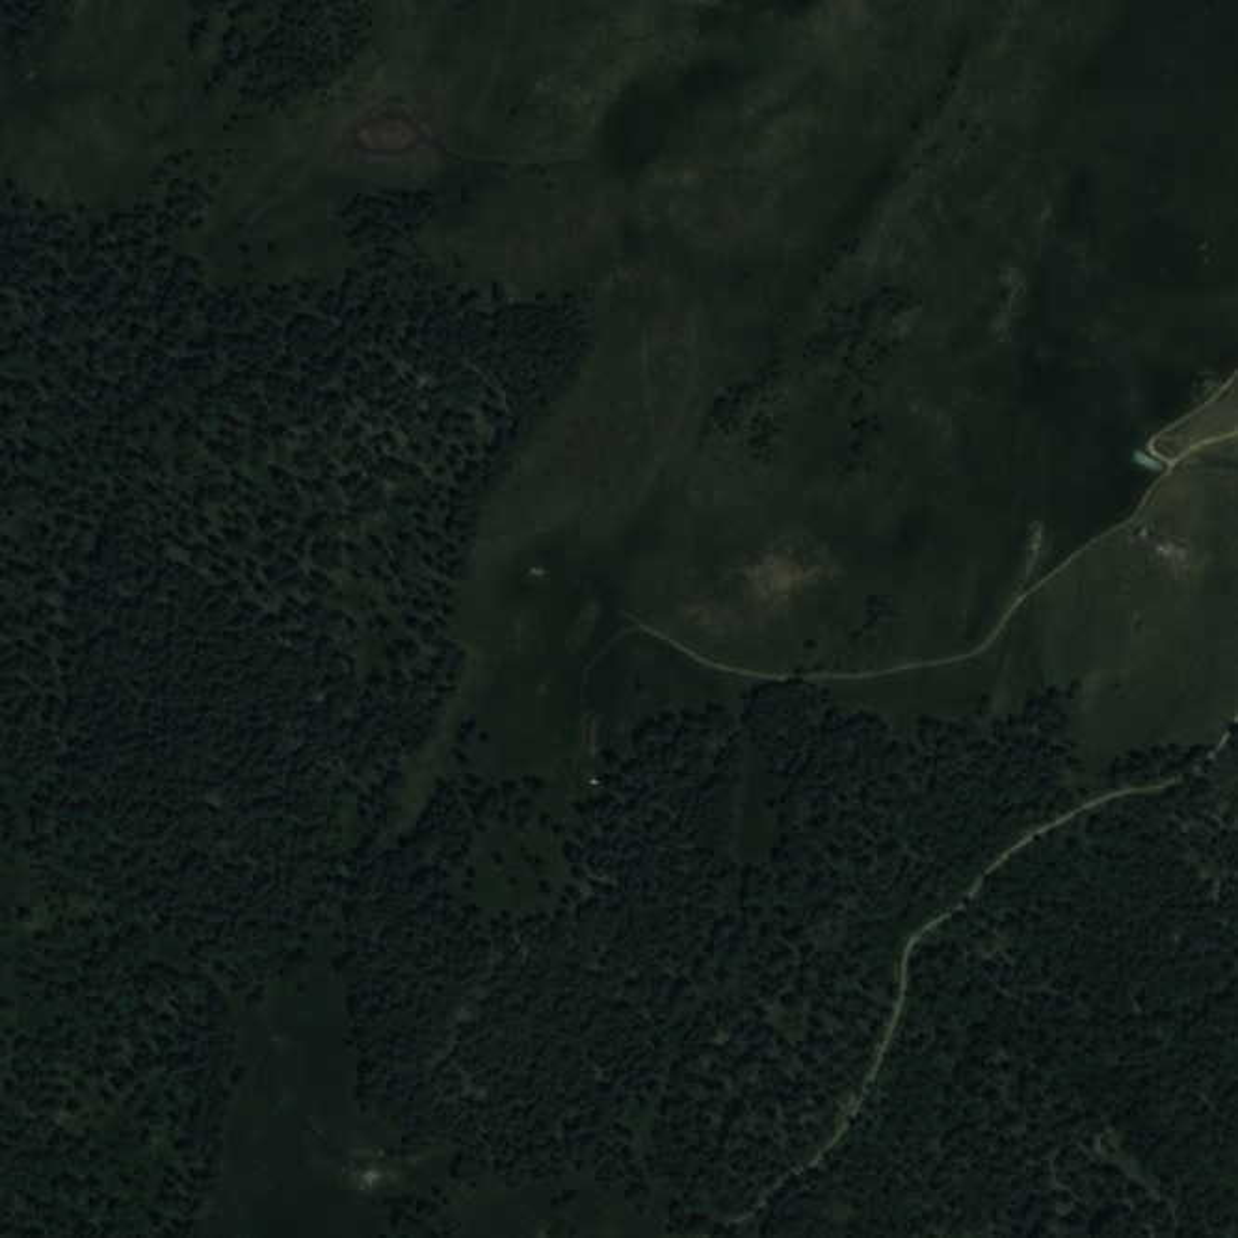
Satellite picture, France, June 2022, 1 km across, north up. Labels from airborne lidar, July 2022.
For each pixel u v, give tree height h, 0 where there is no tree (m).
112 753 21
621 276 0
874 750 19
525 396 28
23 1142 19
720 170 0
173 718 24
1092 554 0
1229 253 0
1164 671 0
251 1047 0
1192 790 11
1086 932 23
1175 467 0
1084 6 0
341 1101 0
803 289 0
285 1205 0
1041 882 12
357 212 11
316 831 23
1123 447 0
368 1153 0
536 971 18
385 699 16
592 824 16
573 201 0
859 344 9
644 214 0
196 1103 10
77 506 21
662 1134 14
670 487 0
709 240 0
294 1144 0
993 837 18
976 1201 13
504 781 0
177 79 0
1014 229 0
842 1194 16
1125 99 0
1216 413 0
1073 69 0
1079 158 0
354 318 23
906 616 0
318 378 22
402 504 15
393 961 22
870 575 0
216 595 29
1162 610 0
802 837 21
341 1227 0
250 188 0
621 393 0
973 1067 12
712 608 0
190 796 15
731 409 12
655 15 0
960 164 0
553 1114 29
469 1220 0
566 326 15
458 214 0
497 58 0
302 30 13
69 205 0
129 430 14
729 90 0
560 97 0
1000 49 0
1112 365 0
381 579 28
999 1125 11
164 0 0
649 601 0
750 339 0
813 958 29
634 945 23
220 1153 21
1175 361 0
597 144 0
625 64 0
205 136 0
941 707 0
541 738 0
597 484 0
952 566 0
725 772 20
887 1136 18
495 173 0
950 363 0
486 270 0
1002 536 0
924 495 0
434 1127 21
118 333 22
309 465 18
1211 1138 20
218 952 15
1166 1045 10
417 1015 16
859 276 0
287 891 24
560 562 0
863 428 11
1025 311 0
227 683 18
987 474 0
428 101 0
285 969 16
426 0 0
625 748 0
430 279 13
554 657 0
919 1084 14
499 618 0
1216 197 0
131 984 10
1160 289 0
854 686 0
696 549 0
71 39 0
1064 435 0
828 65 0
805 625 0
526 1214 0
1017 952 16
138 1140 9
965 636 0
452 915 18
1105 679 0
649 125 0
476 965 11
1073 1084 11
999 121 0
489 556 0
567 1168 24
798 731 21
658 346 0
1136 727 0
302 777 25
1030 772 25
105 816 28
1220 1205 27
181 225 19
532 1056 24
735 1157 12
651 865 30
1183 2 0
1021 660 0
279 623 27
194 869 26
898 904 9
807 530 0
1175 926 17
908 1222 11
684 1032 12
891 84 0
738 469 0
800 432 0
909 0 0
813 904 10
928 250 0
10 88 0
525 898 0
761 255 0
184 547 24
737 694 0
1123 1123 28
